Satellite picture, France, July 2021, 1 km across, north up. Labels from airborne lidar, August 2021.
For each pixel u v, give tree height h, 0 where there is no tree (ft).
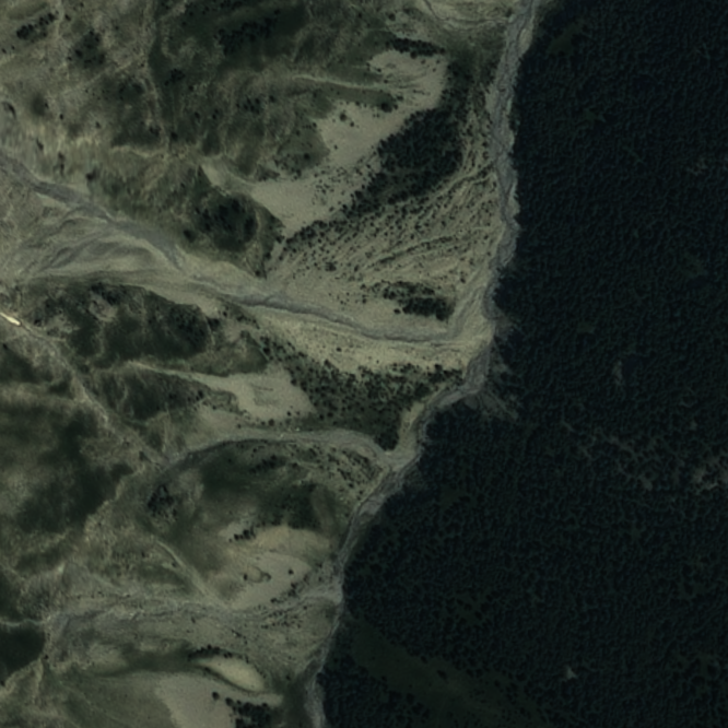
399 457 0
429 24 0
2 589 0
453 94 38
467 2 0
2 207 0
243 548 0
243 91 0
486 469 59
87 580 0
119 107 0
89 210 0
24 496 0
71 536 0
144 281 0
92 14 0
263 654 0
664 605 63
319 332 0
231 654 35
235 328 0
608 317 58
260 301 0
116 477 0
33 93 0
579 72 92
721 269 66
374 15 0
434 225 0
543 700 46
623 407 56
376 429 0
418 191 39
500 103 0
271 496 0
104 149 0
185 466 0
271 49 0
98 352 0
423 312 35
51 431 0
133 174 0
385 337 0
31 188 0
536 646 59
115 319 0
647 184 75
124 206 0
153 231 0
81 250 0
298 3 0
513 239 0
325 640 0
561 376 52
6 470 0
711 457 34
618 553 49
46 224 0
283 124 0
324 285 0
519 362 74
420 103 0
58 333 0
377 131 0
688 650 50
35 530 0
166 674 0
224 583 0
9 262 0
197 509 0
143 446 0
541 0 0
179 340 0
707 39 74
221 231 0
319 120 0
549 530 57
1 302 0
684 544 51
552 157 89
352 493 0
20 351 0
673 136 80
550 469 57
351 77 0
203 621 0
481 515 46
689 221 72
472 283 0
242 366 0
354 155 0
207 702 0
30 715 0
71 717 0
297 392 0
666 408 28
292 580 0
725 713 54
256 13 0
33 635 0
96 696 0
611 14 83
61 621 0
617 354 48
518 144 36
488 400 0
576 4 55
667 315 60
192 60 0
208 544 0
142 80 0
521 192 51
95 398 0
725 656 66
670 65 81
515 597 47
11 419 0
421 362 0
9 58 0
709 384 62
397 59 0
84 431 0
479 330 0
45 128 0
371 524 0
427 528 65
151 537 0
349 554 0
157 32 0
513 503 65
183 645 0
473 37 0
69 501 0
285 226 0
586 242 73
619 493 76
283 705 0
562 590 49
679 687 56
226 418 0
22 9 0
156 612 0
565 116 82
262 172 0
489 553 63
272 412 0
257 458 0
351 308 0
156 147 0
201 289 0
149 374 0
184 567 0
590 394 31
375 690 74
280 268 0
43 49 0
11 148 0
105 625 0
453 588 60
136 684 0
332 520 0
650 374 77
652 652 53
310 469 0
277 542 0
